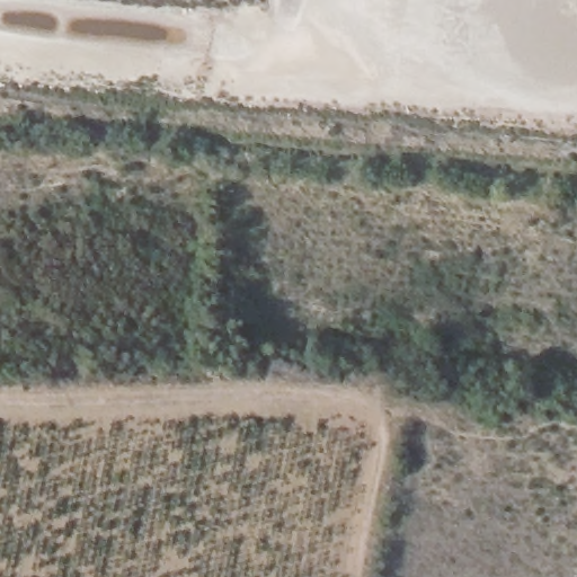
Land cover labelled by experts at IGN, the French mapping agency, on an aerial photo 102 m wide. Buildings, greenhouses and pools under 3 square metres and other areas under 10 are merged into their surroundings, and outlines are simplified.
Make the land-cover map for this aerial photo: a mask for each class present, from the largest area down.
<instances>
[{"label":"vineyard","instance_id":"1","mask_svg":"<svg viewBox=\"0 0 577 577\"><path fill-rule=\"evenodd\" d=\"M383 415L390 435L392 458L388 460V469L383 471V480L379 487L374 512L376 521L372 523L367 545L370 557L365 559L367 577H577V424L561 419H532L521 412L512 421L498 419L496 428H485L471 419V415L464 408L451 403H417L408 397L383 394ZM376 446V440L367 433H352L347 426L331 428L325 419H320L318 428L309 433L293 421L291 415H198L189 419H144L126 415L113 421L110 428H104L99 419H74L65 426H59L54 421L9 424L0 419V577H349L343 561L349 552H354L347 536V525L354 521L356 514H361V503L356 496H365V485L358 480L363 471L361 458L363 453Z\"/></svg>","mask_w":577,"mask_h":577},{"label":"herbaceous vegetation","instance_id":"2","mask_svg":"<svg viewBox=\"0 0 577 577\"><path fill-rule=\"evenodd\" d=\"M156 74L140 77L137 81H126L122 90L108 88L104 92H92L86 88H50L38 86L36 81L18 83L9 77H0V115L16 113L18 106H27L32 110L47 113L54 117L86 115L101 122L133 119L153 124L160 122L167 126H203L225 135L234 144L264 142L284 149L325 151L327 156H352V162H347L343 180L318 183L311 178L289 180L286 176L277 174L264 176L261 160H257L255 153L246 151L239 153L234 165L230 167L225 165V149H221L214 156L196 153L194 162L189 165H178L174 160L162 162L151 153H133L131 147H113L110 151L97 149L86 158H68L63 153L38 156L18 142L11 151H0V210L23 205L38 210L47 198V192L61 185H79L83 171H99L117 183L149 185H162L165 180H171L176 176H185V183L178 185V194L185 207L189 203H196V189L216 187L214 212L210 214V223L219 234L216 248L232 250V257H219V300L210 309V316L219 322H241V327H237L239 336L248 340V345L239 349L241 361L250 363L259 349H264V354H273V347L304 352L307 329H336L343 318H352L354 309L363 311V320H370V307L379 295L397 300L399 304L408 307L419 325L473 320L485 322L487 327L496 329L498 340L503 343V352L525 349L530 354H541L543 349L561 347L575 354L577 358V205L568 210V223L552 230V221L559 212L527 198L494 201L491 196L480 198L469 194L444 192L442 187L430 183L410 187L383 185L381 189H374L370 187V183L374 174L365 165V160L376 153L401 156L406 151L421 149L424 153L449 151L451 158L478 160L485 165H509L518 171L534 169L539 171V183L554 180L557 171L577 174V133L534 131L516 126L494 128L480 124L478 119L451 122L421 115H406L401 110L363 108L361 113H354L327 106L318 108L307 101H298L295 106H243L239 104V97L225 90H219L214 97L203 99H176L156 90ZM264 219H268L270 230L264 241V252L259 255L255 248H250V228L259 225Z\"/></svg>","mask_w":577,"mask_h":577},{"label":"pervious surface","instance_id":"3","mask_svg":"<svg viewBox=\"0 0 577 577\"><path fill-rule=\"evenodd\" d=\"M128 0H0V77H9L18 83L36 81L38 86L50 88H86L92 92H104L108 88L122 90L126 81H137L140 77L156 74V90L176 99H203L214 97L219 90H225L239 97V104L243 106H295L298 101H307L318 108L327 106L354 113H361L363 108L401 110L406 115H421L451 122L478 119L480 124L494 128L516 126L534 131L577 133V0H266L261 5L246 2L232 9H180L126 5ZM7 11L52 14L56 18V29L50 34L9 29L2 23V16ZM74 18H117L153 23L167 27V38L162 43H137L124 38L70 36L68 25Z\"/></svg>","mask_w":577,"mask_h":577},{"label":"deciduous trees","instance_id":"4","mask_svg":"<svg viewBox=\"0 0 577 577\"><path fill-rule=\"evenodd\" d=\"M18 142L38 156L63 153L68 158H86L97 149L110 151L113 147H131L133 153H151L162 162L174 160L178 165H189L194 162L196 153L214 156L221 149H225V165L230 167L234 165L239 153L246 151L255 153L257 160H261L264 176L277 174L286 176L289 180L311 178L318 183L343 180L347 162H352V156H327L325 151L284 149L264 142L234 144L225 135L203 126H167L160 122L153 124L133 119L101 122L86 115L54 117L47 113L32 110L27 106H18L16 113L0 115V151H11ZM365 165L374 174L370 183V187L374 189H381L383 185L410 187L430 183L442 187L444 192L469 194L480 198L491 196L494 201L527 198L559 212L552 221V230L568 223V210L577 205V174L557 171L554 180L539 183V171L534 169L518 171L509 165H485L478 160L451 158L449 151L424 153L421 149L406 151L401 156L376 153L365 160ZM216 187L196 189V203H189L185 207L194 216L198 228V237L187 246V250L196 257L189 268L192 295L185 300V316L189 322L185 331V356L178 363V370H171L167 361H153L151 372L142 374L140 381L131 374H119L110 381L113 385H198L219 379L261 381L270 376L293 385H383V394L408 397L417 403H451L464 408L471 415V419L485 428H496L498 419L512 421L521 412L532 419H561L577 424V358L575 354L561 347L543 349L541 354H530L525 349L503 352V343L498 340L496 329L487 327L485 322L473 320L419 325L408 307L399 304L397 300L379 295L370 307V320H363V311L354 309L352 318H343L336 329H307L304 352L273 347V354H264V349H259L250 363L241 361L239 349L248 345V340L239 336L237 327H241V322H219L210 316V309L219 300V257H232V250L216 248L219 234L210 223V214L214 212ZM23 374L27 376L23 383H18L5 370V365H0V388L20 385L23 390H29L45 383L59 385L63 381H70L79 388H90L108 381L101 367L92 363V354L86 347L77 349L72 361L68 356H59L50 374L43 367H32V363H20Z\"/></svg>","mask_w":577,"mask_h":577},{"label":"brushwood","instance_id":"5","mask_svg":"<svg viewBox=\"0 0 577 577\"><path fill-rule=\"evenodd\" d=\"M246 2L261 5L266 0H128L126 5L180 9H232ZM185 183V176H176L171 180H165L162 185H149L117 183L99 171H83L79 185H61L47 192V198L38 210L23 205L0 210V365H5V370L18 383H23L27 376L23 374L20 363H32V367H43L50 374L59 356H68L72 361L77 349L86 347L92 354V363L101 367L108 381H110L119 374H131L140 381L142 374L151 372L153 361H167L171 370H178V363L185 356V331L189 322L185 316V300L192 295L189 268L196 257L187 250V246L198 237V228L194 216L185 207L178 194V185ZM270 230L268 219H264L259 225L250 228V248H255L259 255L264 252V241Z\"/></svg>","mask_w":577,"mask_h":577},{"label":"plowed land","instance_id":"6","mask_svg":"<svg viewBox=\"0 0 577 577\"><path fill-rule=\"evenodd\" d=\"M383 385H293L270 376L261 381L219 379L198 385H113L110 381H108L90 388H79L70 381H63L59 385L45 383L29 390H23L20 385L0 388V419L9 424L54 421L59 426H65L74 419H99L104 428H110L113 421L126 415L144 419H189L198 415H291L293 421L309 433L318 428L320 419H325L331 428L347 426L352 433H367L376 440V446L363 453L361 458L363 471L358 480L365 485V496H356L361 503V514H356L354 521L347 525V536L354 552H349L343 561L349 577H367L365 559L370 557L367 545L372 523L376 521L374 512L379 487L383 480V471L388 469V460L392 458L390 435L383 415Z\"/></svg>","mask_w":577,"mask_h":577},{"label":"water","instance_id":"7","mask_svg":"<svg viewBox=\"0 0 577 577\"><path fill-rule=\"evenodd\" d=\"M2 23L9 29L50 34L56 29V18L52 14L7 11L2 16ZM70 36L124 38L137 43H162L167 38V27L153 23L117 18H74L68 25Z\"/></svg>","mask_w":577,"mask_h":577}]
</instances>
